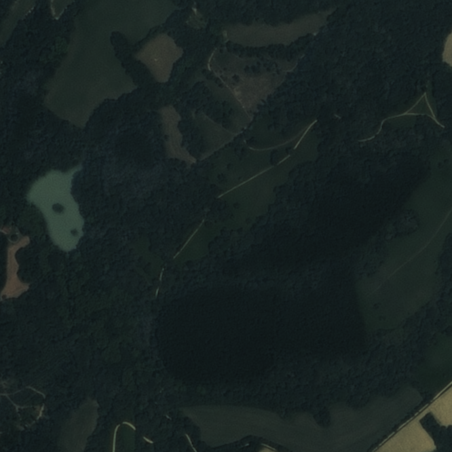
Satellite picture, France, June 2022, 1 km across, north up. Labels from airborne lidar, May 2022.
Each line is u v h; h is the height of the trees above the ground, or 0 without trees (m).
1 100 26
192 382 10
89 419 0
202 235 0
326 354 18
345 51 10
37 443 31
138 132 26
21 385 20
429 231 0
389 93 23
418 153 12
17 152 21
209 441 0
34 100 28
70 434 0
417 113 0
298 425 0
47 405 28
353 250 19
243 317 20
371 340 6
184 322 22
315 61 27
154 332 8
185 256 0
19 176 20
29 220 25
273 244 17
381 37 19
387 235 20
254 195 0
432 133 9
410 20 22
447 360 0
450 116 17
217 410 0
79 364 21
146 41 7
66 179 0
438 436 12
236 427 0
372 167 19
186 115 18
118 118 26
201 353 21
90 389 7
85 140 27
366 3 14
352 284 14
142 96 22
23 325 26
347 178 16
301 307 21
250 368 22
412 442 0
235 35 0
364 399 10
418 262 0
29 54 26
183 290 22
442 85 24
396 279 0
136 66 23
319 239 18
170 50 0
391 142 11
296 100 18
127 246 17
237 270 21
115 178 32
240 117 0
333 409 0
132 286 29
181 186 27
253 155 0
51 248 30
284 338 20
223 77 10
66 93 0
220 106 18
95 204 20
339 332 23
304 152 0
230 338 20
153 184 29
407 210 6
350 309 20
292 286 10
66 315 22
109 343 30
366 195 22
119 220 11
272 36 0
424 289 0
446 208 0
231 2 24
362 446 0
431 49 18
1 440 6
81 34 0
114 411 21
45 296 25
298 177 17
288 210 13
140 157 28
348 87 11
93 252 24
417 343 20
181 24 15
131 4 0
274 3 20
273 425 0
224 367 24
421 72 24
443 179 0
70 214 0
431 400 9
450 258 23
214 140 0
